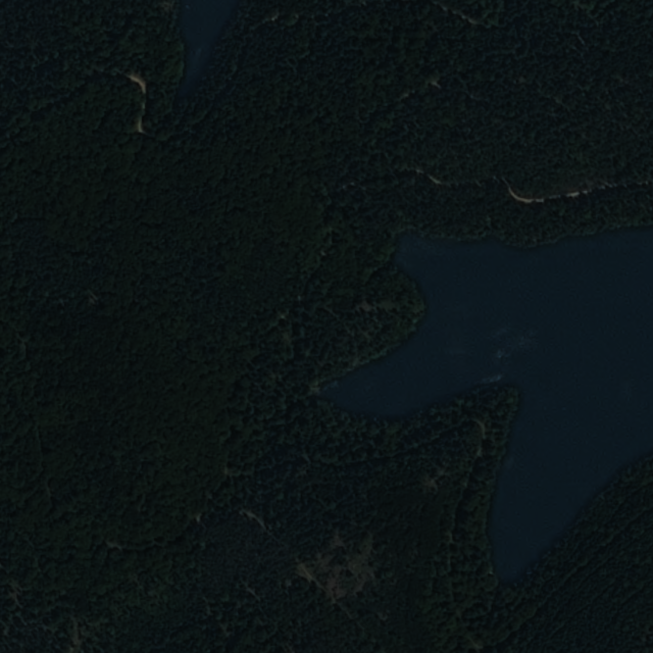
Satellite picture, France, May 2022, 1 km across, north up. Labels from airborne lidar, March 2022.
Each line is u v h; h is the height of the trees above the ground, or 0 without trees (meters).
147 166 26
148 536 15
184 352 20
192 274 18
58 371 12
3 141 18
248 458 19
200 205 20
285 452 35
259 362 29
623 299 0
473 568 18
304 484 13
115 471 12
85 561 19
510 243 7
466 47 20
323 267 16
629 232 0
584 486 0
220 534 27
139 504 11
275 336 17
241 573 19
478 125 25
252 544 20
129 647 18
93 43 27
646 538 15
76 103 20
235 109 26
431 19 11
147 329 19
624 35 21
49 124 23
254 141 26
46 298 16
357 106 21
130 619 15
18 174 25
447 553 22
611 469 0
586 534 18
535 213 27
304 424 33
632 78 22
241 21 23
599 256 0
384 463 22
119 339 13
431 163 17
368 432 15
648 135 9
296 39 23
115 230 25
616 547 15
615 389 0
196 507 20
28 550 12
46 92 24
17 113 22
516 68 29
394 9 20
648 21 20
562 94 18
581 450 0
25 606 19
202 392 25
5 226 20
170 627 11
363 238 29
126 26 27
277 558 20
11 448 14
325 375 14
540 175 16
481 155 13
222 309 21
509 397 17
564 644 14
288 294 17
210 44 0
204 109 20
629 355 0
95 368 13
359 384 0
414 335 0
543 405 0
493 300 0
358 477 11
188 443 24
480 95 28
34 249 21
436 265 0
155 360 20
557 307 0
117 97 19
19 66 21
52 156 14
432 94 24
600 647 14
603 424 0
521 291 0
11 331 15
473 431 14
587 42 31
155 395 20
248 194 22
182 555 19
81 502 13
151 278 23
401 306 6
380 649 16
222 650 18
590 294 0
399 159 24
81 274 22
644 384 0
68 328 15
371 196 25
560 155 25
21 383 12
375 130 24
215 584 27
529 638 13
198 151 25
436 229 17
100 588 16
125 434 16
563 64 29
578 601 13
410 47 22
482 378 0
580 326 0
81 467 10
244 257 19
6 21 27
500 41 18
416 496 9
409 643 8
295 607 16
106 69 24
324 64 28
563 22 14
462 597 27
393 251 7
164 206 22
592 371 0
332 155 27
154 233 23
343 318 11
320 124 23
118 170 28
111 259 25
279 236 18
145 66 13
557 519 0
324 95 22
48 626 28
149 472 23
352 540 7
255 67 24
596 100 20
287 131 22
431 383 0
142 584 7
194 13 0
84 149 20
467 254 0
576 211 25
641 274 0
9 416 21
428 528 15
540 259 0
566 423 0
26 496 11
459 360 0
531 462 0
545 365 0
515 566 0
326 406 18
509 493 0
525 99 17
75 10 22
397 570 7
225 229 22
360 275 25
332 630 17
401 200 30
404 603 12
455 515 9
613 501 12
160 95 27
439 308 0
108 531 13
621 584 13
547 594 21
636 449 0
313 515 21
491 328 0
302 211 24
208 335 21
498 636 25
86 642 23
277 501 22
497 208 27
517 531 0
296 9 14
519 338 0
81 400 15
